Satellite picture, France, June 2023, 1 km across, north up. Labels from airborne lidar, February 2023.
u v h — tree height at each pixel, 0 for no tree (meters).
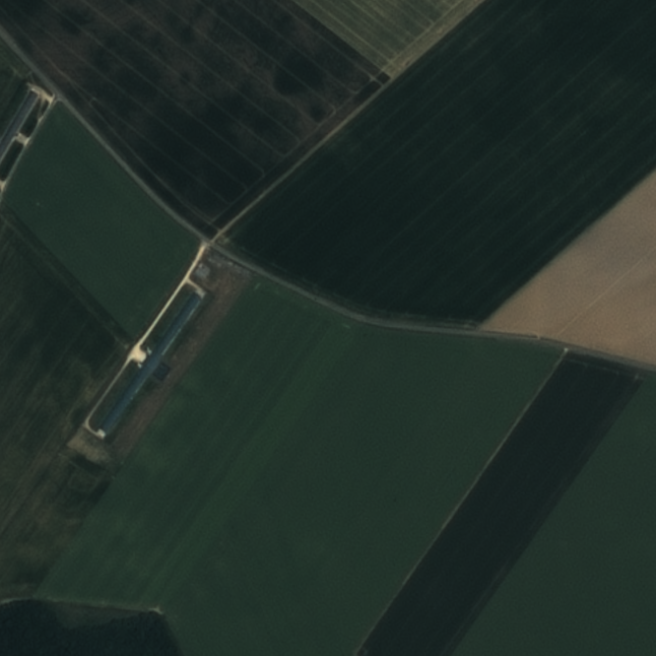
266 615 0
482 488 0
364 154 0
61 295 0
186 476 0
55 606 0
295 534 0
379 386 0
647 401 0
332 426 0
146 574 0
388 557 0
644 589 0
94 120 0
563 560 0
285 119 0
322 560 0
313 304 0
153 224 0
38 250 0
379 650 0
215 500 0
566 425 0
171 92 0
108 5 0
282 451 0
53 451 0
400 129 0
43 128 0
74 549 0
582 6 0
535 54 0
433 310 0
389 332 0
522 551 0
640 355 0
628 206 0
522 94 0
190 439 0
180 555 0
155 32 0
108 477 0
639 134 0
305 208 0
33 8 0
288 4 0
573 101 0
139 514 0
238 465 0
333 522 0
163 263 0
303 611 0
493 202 0
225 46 0
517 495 0
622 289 0
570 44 0
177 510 0
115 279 0
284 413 0
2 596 0
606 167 0
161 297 0
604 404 0
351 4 0
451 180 0
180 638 0
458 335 0
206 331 0
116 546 0
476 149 0
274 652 0
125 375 0
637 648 0
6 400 0
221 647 0
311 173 0
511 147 0
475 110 0
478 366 0
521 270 0
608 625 0
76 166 0
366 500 0
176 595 0
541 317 0
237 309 0
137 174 0
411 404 0
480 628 0
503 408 0
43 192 0
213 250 0
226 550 0
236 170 0
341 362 0
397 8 0
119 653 14
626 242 0
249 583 0
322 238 0
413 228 0
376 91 0
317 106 0
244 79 0
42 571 0
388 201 0
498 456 0
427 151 0
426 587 0
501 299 0
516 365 0
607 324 0
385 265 0
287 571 0
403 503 0
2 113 0
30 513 0
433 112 0
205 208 0
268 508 0
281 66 0
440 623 0
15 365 0
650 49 0
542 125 0
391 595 0
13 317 0
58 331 0
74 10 0
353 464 0
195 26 0
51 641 11
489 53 0
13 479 0
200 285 0
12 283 0
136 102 0
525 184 0
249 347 0
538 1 0
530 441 0
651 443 0
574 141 0
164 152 0
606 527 0
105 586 0
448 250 0
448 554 0
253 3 0
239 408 0
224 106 0
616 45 0
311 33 0
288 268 0
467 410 0
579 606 0
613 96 0
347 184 0
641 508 0
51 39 0
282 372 0
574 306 0
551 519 0
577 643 0
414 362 0
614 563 0
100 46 0
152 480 0
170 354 0
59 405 0
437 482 0
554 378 0
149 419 0
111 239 0
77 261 0
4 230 0
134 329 0
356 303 0
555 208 0
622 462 0
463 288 0
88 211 0
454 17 0
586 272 0
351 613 0
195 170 0
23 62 0
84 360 0
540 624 0
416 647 0
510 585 0
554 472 0
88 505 0
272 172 0
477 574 0
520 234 0
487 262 0
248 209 0
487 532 0
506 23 0
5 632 12
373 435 0
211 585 0
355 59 0
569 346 0
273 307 0
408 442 0
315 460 0
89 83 0
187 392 0
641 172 0
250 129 0
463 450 0
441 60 0
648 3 0
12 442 0
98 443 0
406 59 0
